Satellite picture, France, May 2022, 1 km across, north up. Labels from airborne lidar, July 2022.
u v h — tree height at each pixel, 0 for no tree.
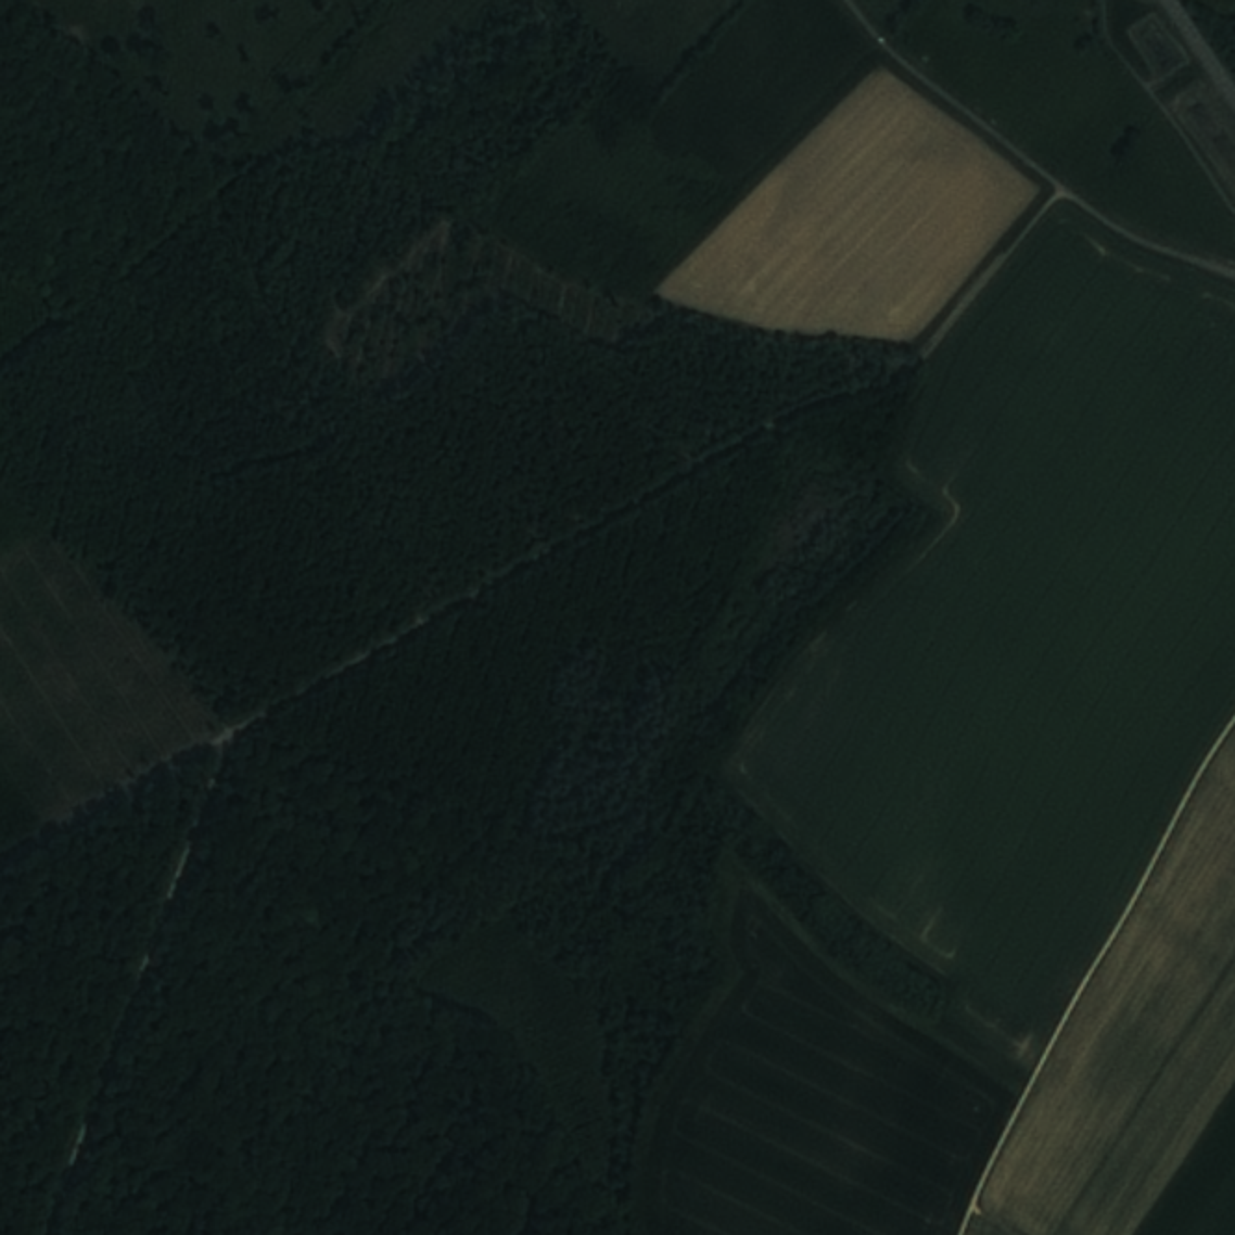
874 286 0
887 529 14
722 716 21
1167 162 0
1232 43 8
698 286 0
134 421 18
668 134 0
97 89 27
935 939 0
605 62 9
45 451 20
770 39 0
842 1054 0
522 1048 26
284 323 14
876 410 19
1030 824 0
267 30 24
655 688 27
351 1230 32
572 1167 20
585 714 31
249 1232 29
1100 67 0
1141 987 0
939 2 0
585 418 21
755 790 0
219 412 10
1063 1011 0
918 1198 0
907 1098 0
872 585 0
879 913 0
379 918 29
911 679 0
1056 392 0
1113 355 0
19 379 18
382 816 31
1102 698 0
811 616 17
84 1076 26
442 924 12
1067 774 0
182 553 21
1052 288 0
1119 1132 0
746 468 15
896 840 0
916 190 0
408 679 18
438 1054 29
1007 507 0
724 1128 0
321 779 29
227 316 8
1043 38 0
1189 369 0
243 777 24
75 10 0
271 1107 26
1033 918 0
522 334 17
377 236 14
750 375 22
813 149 0
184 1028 27
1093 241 0
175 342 10
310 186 18
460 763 19
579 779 30
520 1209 29
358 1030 28
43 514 16
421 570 19
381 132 27
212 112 26
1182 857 0
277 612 21
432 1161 27
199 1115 28
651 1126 0
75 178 26
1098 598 0
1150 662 0
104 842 27
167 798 27
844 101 0
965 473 0
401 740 16
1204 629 0
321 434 9
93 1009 30
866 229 0
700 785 19
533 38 21
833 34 0
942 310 0
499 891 23
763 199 0
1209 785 0
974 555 0
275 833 30
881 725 0
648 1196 0
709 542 15
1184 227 0
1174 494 0
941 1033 0
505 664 16
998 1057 0
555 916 24
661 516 17
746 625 6
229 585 16
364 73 0
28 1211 24
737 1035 0
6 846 7
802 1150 0
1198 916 0
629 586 15
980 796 0
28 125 27
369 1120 26
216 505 20
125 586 20
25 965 29
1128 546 0
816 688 0
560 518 20
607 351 22
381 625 17
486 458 18
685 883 18
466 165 20
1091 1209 0
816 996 0
